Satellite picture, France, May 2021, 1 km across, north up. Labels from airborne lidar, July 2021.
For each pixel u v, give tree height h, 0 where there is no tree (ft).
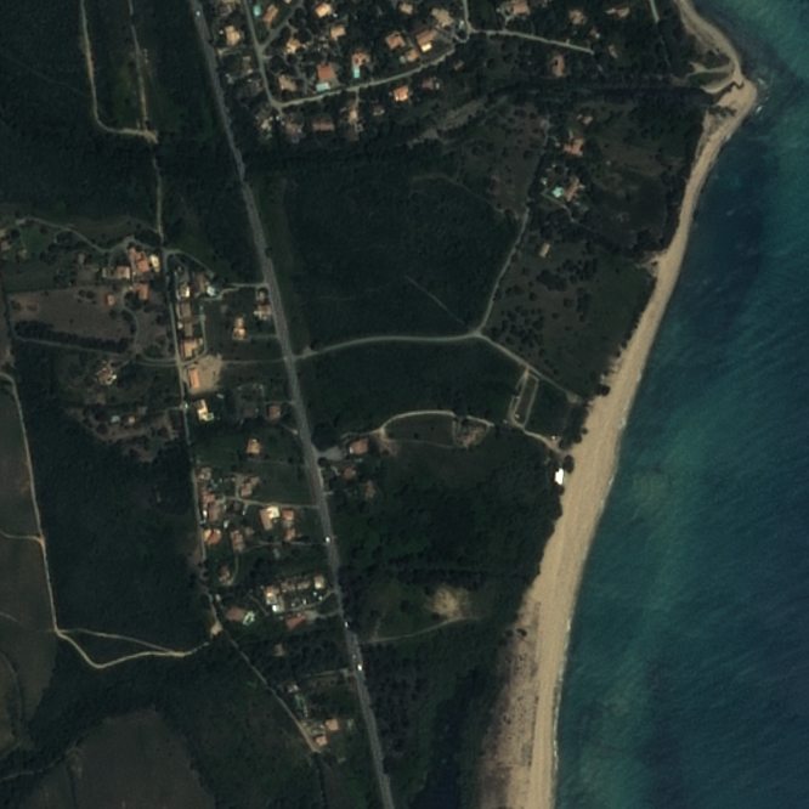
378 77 27
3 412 0
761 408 0
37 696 0
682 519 0
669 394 0
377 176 20
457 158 33
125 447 33
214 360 0
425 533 29
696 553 0
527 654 0
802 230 0
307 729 0
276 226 0
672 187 29
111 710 32
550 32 37
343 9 33
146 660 19
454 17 22
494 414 32
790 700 0
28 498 0
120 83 0
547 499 25
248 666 23
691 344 0
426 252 28
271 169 26
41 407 30
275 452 0
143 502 0
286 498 0
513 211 34
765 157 0
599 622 0
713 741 0
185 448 39
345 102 30
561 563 0
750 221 0
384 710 68
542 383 18
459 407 35
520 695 0
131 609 23
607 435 0
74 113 22
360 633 71
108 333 0
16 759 52
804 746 0
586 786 0
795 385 0
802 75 0
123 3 0
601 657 0
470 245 24
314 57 30
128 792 0
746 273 0
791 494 0
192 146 30
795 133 0
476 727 18
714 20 0
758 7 0
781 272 0
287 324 0
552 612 0
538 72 24
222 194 35
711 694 0
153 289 33
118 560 23
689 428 0
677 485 0
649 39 20
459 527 34
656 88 60
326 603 25
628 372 0
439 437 0
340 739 0
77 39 22
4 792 22
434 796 0
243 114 39
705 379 0
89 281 0
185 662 41
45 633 0
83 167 24
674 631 0
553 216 34
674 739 0
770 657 0
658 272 0
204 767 22
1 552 0
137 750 0
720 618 0
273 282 0
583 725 0
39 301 0
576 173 29
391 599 0
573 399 0
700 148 0
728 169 0
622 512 0
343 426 35
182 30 22
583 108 23
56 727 31
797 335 0
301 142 27
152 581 18
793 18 0
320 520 0
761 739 0
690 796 0
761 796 0
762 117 0
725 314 0
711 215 0
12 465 0
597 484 0
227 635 33
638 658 0
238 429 29
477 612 0
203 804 0
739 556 0
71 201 27
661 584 0
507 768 0
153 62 0
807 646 0
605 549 0
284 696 32
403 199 28
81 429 22
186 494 23
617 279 0
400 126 54
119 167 58
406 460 0
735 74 0
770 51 0
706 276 0
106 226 0
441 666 25
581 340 0
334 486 41
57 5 21
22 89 21
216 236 26
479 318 33
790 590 0
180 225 37
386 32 23
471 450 25
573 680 0
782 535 0
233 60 27
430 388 24
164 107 0
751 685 0
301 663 26
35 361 19
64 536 17
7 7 20
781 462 0
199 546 0
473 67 28
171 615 31
